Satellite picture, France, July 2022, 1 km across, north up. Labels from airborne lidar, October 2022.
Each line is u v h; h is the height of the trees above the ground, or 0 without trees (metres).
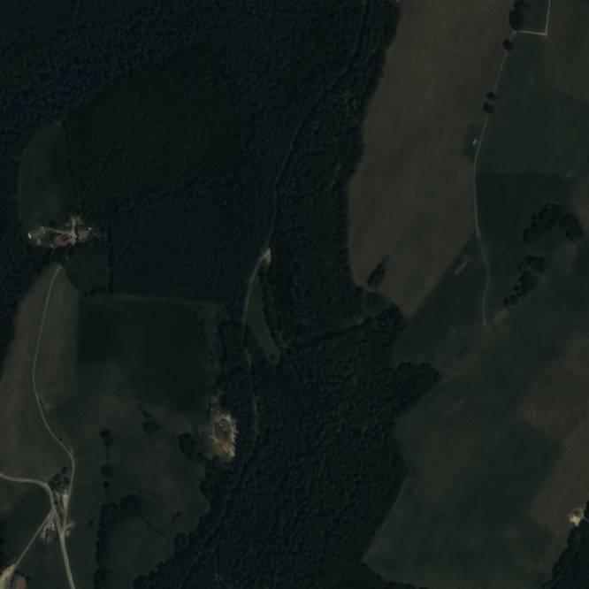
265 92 23
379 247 0
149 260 25
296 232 24
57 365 0
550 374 0
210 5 25
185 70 9
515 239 0
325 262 24
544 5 0
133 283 26
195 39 27
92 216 16
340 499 20
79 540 0
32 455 0
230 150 7
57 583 0
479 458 0
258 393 17
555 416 0
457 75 0
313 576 22
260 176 19
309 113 9
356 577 16
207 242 19
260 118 21
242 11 25
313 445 26
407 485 0
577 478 0
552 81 0
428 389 12
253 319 0
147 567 0
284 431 17
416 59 0
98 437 0
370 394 18
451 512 0
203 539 18
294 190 22
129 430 0
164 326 0
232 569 21
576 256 0
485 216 0
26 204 0
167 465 0
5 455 0
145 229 25
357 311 8
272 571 20
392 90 0
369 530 13
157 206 25
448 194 0
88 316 0
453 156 0
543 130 0
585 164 0
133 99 10
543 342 0
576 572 20
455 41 0
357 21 25
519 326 0
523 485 0
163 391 0
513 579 0
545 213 13
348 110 23
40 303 0
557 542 0
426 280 0
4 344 14
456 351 0
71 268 0
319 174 20
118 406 0
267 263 0
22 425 0
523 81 0
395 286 0
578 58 0
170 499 0
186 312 0
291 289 23
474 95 0
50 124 12
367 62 21
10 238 25
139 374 0
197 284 23
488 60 0
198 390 0
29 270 34
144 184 9
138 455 0
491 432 0
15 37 16
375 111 0
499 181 0
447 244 0
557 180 0
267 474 23
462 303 0
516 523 0
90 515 0
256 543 22
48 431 0
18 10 17
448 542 0
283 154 18
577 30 0
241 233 24
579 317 0
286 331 10
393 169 0
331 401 29
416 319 0
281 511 23
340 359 22
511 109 0
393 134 0
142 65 19
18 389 0
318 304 21
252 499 21
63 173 0
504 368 0
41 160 0
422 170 0
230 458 0
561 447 0
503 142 0
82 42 32
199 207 24
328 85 25
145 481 0
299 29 22
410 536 0
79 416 0
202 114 6
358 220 0
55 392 0
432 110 0
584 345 0
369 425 22
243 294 20
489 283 0
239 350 25
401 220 0
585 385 0
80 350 0
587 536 13
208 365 0
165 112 7
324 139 30
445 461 0
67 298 0
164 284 26
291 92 14
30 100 36
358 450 24
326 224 22
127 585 0
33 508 0
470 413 0
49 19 19
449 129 0
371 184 0
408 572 0
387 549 0
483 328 0
